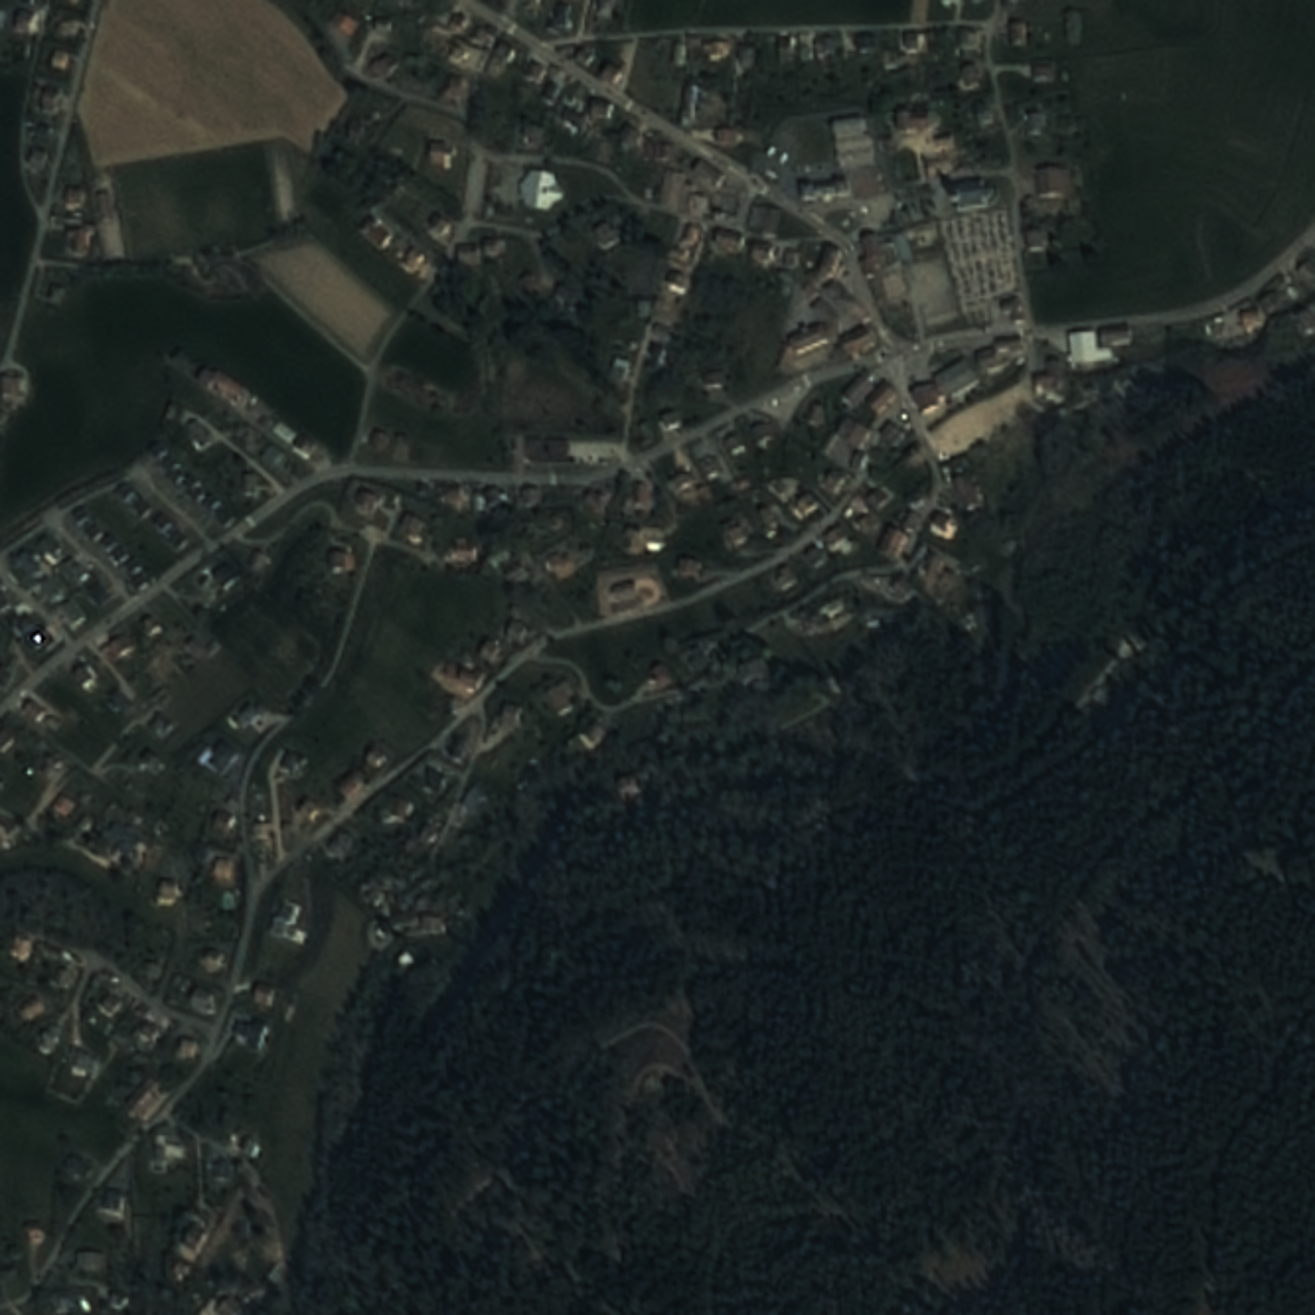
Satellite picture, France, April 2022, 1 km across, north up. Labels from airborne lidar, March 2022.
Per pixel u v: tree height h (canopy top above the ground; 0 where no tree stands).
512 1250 27
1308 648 21
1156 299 0
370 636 0
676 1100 10
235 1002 0
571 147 0
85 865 0
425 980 16
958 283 0
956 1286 0
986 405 0
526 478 0
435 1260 26
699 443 0
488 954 11
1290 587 26
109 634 0
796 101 0
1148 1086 24
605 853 26
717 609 0
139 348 0
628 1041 0
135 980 5
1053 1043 27
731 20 0
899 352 0
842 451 0
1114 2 0
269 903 0
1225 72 0
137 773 0
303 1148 0
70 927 9
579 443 0
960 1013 18
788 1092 27
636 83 0
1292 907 24
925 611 17
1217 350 0
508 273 0
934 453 0
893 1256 24
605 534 0
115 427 0
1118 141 0
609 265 15
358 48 0
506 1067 11
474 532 0
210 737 0
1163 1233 29
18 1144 0
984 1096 32
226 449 0
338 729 0
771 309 0
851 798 28
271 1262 0
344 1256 14
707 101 0
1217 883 20
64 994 9
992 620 11
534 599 17
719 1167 13
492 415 0
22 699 0
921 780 18
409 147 0
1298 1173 25
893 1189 26
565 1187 22
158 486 0
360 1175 21
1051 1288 28
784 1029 28
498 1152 14
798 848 27
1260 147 0
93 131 0
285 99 0
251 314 0
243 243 0
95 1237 0
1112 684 0
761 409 0
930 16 0
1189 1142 26
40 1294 8
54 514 0
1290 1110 29
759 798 23
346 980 0
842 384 0
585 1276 12
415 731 0
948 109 0
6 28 0
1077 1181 21
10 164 0
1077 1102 23
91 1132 0
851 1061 28
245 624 0
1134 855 23
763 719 17
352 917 0
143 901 0
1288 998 27
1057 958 20
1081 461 19
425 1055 21
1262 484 12
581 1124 11
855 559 0
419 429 0
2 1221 0
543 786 21
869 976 24
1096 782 22
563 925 19
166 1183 0
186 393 0
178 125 0
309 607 6
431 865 12
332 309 0
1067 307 0
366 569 0
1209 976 25
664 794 7
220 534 0
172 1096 0
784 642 0
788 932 23
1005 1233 21
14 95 0
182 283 0
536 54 0
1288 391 16
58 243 0
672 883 22
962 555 0
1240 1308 23
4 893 11
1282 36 0
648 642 0
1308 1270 15
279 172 0
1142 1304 18
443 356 0
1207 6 0
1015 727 26
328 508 0
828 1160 11
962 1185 21
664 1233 10
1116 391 0
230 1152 0
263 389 0
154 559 0
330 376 0
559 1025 15
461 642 0
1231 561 10
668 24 0
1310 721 24
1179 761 30
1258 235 0
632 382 0
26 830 15
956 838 27
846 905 27
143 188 0
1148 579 20
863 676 23
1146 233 0
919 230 0
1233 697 32
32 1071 0
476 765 0
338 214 0
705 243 6
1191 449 14
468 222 0
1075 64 0
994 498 0
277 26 0
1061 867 20
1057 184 0
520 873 0
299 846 0
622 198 0
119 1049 0
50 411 0
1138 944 25
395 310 0
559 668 0
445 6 0
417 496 0
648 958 16
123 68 0
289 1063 0
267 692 0
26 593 0
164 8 0
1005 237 0
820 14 0
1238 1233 24
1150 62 0
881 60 0
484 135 18
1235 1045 27
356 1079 11
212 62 0
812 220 0
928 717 28
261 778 0
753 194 0
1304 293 0
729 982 17
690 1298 11
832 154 0
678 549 0
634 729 0
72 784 0
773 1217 8
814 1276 24
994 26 0
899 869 31
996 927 21
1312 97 0
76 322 0
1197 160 0
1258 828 24
